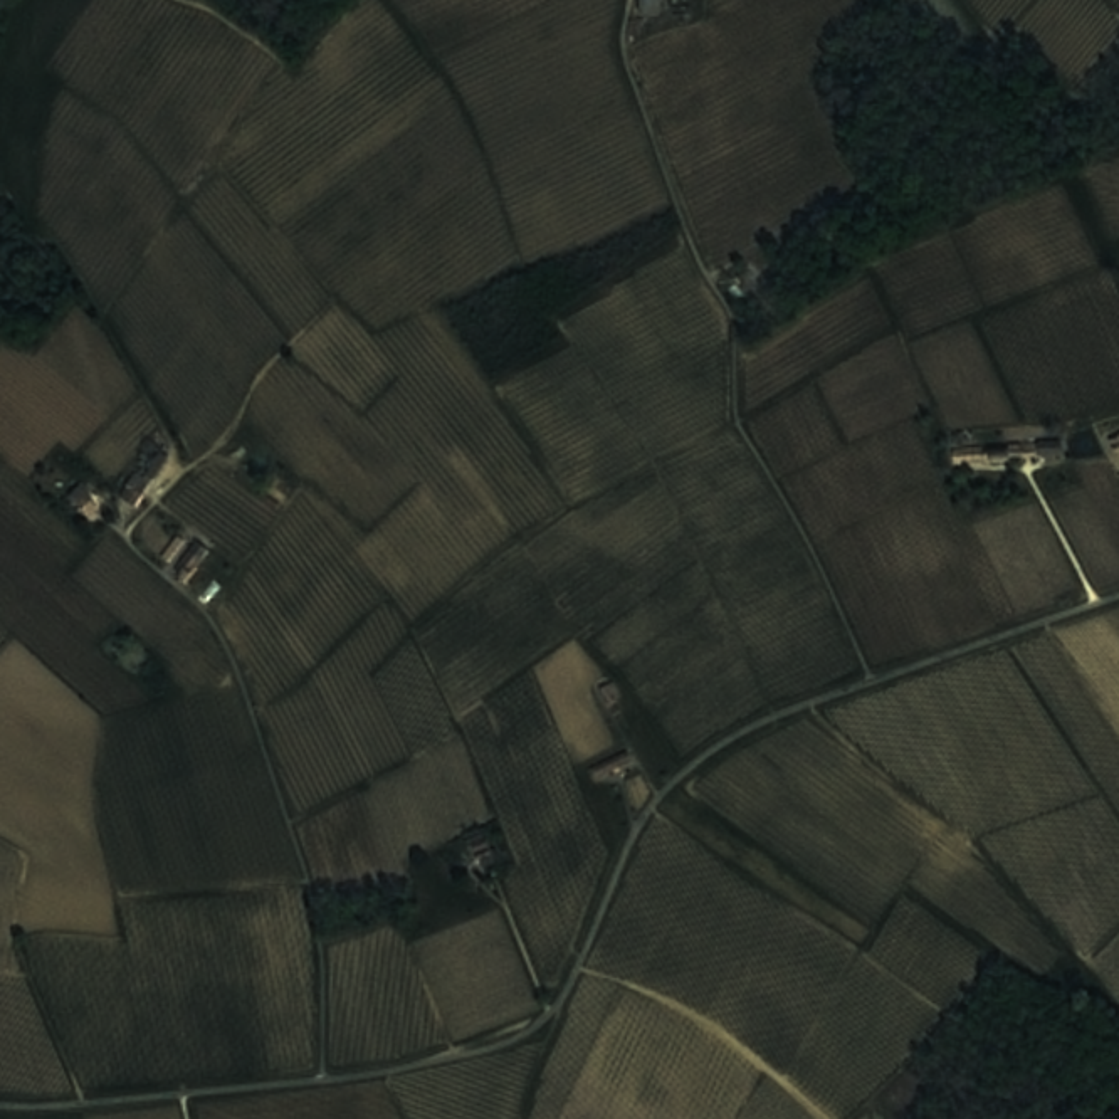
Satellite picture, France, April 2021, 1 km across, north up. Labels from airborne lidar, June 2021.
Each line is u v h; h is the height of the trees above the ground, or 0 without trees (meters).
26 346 14
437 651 0
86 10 0
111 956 0
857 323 0
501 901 0
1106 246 0
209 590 0
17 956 0
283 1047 0
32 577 0
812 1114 0
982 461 0
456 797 0
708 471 0
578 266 8
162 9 0
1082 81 0
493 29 0
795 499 0
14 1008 0
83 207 0
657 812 0
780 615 0
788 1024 0
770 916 0
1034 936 0
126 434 0
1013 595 0
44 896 0
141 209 0
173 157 0
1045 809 0
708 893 0
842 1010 0
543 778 0
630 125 0
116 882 0
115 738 0
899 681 0
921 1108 14
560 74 0
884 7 22
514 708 0
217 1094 0
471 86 0
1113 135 20
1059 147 28
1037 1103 20
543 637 0
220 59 0
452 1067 0
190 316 0
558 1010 0
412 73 0
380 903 20
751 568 0
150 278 0
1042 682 0
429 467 0
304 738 0
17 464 0
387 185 0
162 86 0
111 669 0
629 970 0
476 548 0
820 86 8
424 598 0
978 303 0
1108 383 0
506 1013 0
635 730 0
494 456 0
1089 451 0
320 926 12
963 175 22
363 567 0
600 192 0
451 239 0
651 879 0
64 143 0
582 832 0
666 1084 0
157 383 0
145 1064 0
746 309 12
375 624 0
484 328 6
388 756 0
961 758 0
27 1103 0
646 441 0
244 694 0
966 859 0
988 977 16
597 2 0
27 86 0
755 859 0
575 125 0
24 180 0
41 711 0
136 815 0
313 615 0
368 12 0
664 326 0
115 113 0
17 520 0
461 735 0
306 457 0
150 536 0
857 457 0
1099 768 0
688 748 0
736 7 0
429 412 0
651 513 0
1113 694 0
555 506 0
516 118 0
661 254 0
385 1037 0
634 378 0
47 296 9
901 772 0
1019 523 0
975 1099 16
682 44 0
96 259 0
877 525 0
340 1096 0
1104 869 0
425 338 0
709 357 0
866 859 0
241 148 0
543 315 7
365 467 0
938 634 0
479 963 0
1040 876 0
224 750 0
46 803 0
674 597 0
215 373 0
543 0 0
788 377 0
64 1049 0
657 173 0
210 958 0
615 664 0
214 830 0
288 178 0
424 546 0
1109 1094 25
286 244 0
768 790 0
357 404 0
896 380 0
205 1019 0
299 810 0
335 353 0
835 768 0
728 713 0
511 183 0
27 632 0
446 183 0
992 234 0
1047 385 0
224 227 0
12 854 0
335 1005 0
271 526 0
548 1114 0
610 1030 0
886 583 0
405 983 0
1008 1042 23
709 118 0
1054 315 0
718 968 0
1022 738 0
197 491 0
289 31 14
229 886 0
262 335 0
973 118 26
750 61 0
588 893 0
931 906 0
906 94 22
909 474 0
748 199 0
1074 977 0
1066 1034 23
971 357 0
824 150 0
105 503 8
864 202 16
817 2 0
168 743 0
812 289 20
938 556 0
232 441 0
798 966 0
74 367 0
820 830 0
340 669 0
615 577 0
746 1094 0
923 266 0
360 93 0
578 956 0
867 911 0
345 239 0
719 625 0
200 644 0
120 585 0
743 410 0
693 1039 0
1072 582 0
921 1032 0
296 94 0
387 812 0
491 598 0
